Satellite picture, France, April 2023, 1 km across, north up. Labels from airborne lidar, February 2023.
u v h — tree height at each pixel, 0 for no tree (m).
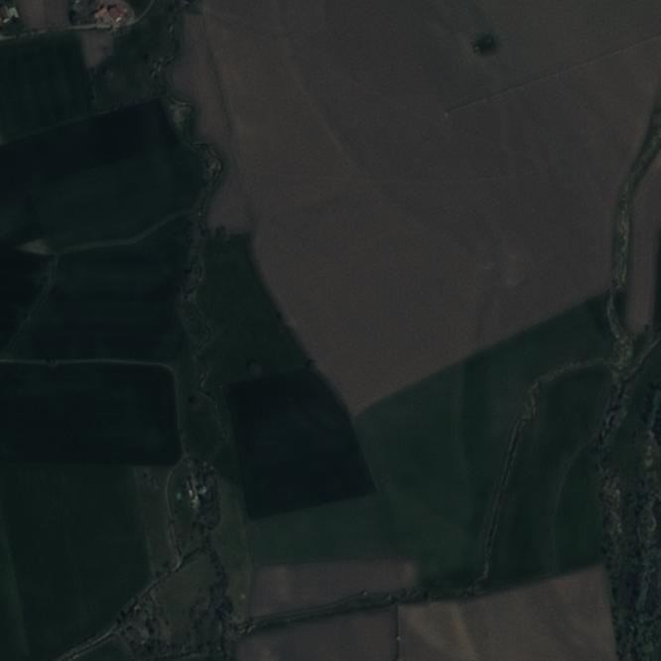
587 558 0
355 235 0
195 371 0
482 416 0
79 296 0
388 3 0
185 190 0
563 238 0
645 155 0
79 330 0
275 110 0
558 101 0
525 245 0
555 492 0
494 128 0
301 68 0
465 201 0
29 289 0
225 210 0
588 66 0
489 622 0
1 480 0
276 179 0
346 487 0
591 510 0
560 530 0
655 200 0
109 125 0
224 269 0
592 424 0
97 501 0
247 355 0
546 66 0
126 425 0
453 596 0
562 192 0
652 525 0
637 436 6
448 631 0
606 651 0
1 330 0
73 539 0
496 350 0
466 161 0
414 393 0
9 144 0
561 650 0
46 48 0
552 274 0
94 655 0
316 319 0
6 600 0
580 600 0
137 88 0
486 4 0
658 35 0
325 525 0
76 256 0
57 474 0
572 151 0
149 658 8
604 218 0
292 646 0
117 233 0
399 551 0
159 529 0
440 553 0
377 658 0
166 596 0
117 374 0
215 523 9
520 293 0
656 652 0
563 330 0
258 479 0
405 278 0
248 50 0
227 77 0
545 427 0
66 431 0
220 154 0
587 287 0
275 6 0
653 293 0
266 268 0
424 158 0
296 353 0
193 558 9
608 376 0
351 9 0
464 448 0
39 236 0
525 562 0
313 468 0
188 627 0
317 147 0
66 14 0
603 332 0
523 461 0
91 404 0
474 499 0
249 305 0
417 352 0
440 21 0
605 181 0
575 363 0
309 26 0
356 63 0
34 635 0
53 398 0
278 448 0
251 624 9
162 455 0
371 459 0
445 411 0
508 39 0
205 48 0
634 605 13
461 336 0
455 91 0
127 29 11
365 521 0
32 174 0
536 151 0
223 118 0
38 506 0
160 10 0
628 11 0
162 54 0
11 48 0
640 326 0
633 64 0
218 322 0
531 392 0
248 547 0
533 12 0
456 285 0
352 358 0
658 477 0
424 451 0
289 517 0
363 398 0
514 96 0
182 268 0
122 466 0
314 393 0
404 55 0
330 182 0
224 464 0
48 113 0
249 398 0
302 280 0
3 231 0
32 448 0
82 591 0
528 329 0
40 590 0
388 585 0
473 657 0
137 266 0
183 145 0
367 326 0
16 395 0
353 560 0
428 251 0
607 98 0
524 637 0
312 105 0
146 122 0
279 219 0
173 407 0
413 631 0
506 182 0
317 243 0
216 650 13
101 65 0
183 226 0
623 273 0
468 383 0
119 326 0
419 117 0
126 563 0
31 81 0
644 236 0
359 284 0
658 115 0
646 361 0
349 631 0
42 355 0
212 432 0
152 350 0
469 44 0
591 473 0
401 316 0
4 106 0
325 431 0
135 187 0
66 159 0
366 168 0
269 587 0
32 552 0
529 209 0
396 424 0
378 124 0
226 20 0
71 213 0
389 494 0
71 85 0
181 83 0
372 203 0
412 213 0
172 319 0
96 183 0
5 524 0
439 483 0
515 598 0
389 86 0
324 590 0
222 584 7
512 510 0
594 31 0
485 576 0
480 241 0
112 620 0
